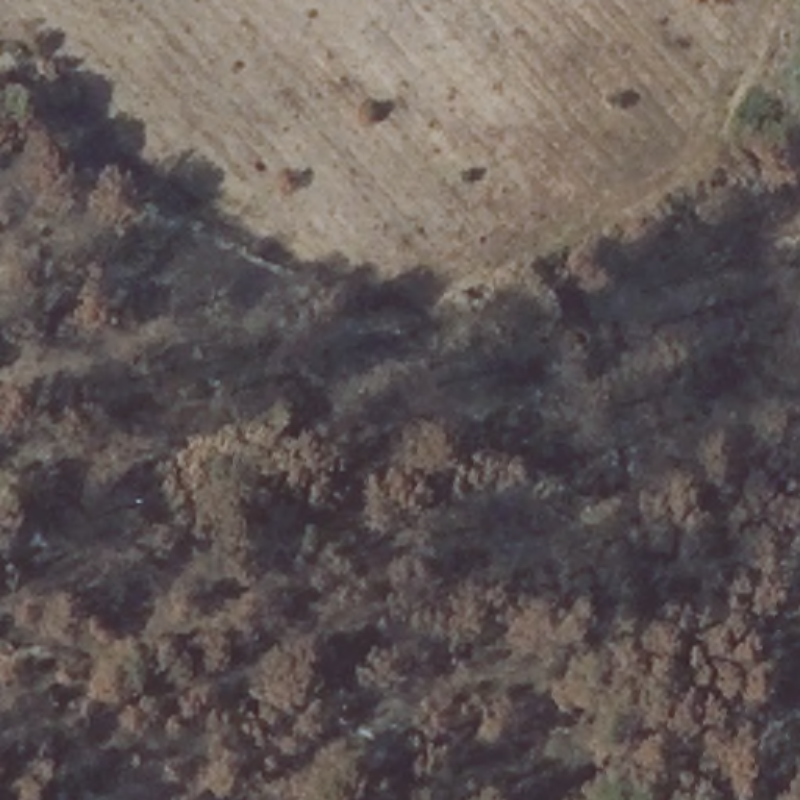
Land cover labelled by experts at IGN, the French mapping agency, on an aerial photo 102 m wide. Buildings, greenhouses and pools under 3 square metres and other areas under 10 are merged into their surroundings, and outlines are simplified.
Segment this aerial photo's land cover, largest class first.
<instances>
[{"label":"coniferous trees","instance_id":"1","mask_svg":"<svg viewBox=\"0 0 800 800\"><path fill-rule=\"evenodd\" d=\"M788 75L775 81L772 91L750 88V94L744 97L731 138L716 153L713 178H700L691 194L666 197L672 213L663 219L644 216V234L638 241L603 238L597 250H591L581 259H569V250L559 247L544 259H534L531 269L516 266L513 281L500 291L469 288L466 306H456L441 297L447 284L428 266L400 272L397 278H381L375 266H353L341 253H331L325 259H300L281 241L253 234L250 228H244L219 209L222 172L216 166H209L191 150L159 163L144 159V122L131 116H109L113 84L103 75L81 72V59L69 56L63 47V31H47L25 44L0 31V247L3 234H13V241L19 244L16 263L22 266L9 275L6 284H0V800H800V769L794 763H778L769 756V731L775 713L788 706V691L797 688L794 669L800 666V44L794 47L784 66Z\"/></svg>","mask_w":800,"mask_h":800},{"label":"agricultural land","instance_id":"2","mask_svg":"<svg viewBox=\"0 0 800 800\"><path fill-rule=\"evenodd\" d=\"M0 31L25 44L47 31H63V47L69 56L81 59V72L103 75L113 84L109 116H131L144 122V159L159 163L191 150L209 166H216L222 172L219 209L244 228H250L253 234L281 241L300 259H325L331 253H341L353 266H375L381 278H397L400 272L428 266L447 284L441 297L456 306H466L469 288L500 291L513 281L516 266L531 269L534 259H544L559 247L569 250V259H581L591 250H597L603 238L638 241L644 234V216L663 219L672 213L666 197L691 194L700 178H713L716 153L731 138L744 97L750 94V88L772 91L775 81L788 75L784 66L794 47L800 44V0H0Z\"/></svg>","mask_w":800,"mask_h":800},{"label":"bare soil","instance_id":"3","mask_svg":"<svg viewBox=\"0 0 800 800\"><path fill-rule=\"evenodd\" d=\"M19 244L13 241V234H3L0 247V284H6L9 275L22 266L16 263ZM797 688L788 691V706L775 713L769 731V756L778 763H794L800 769V666L794 669Z\"/></svg>","mask_w":800,"mask_h":800}]
</instances>
